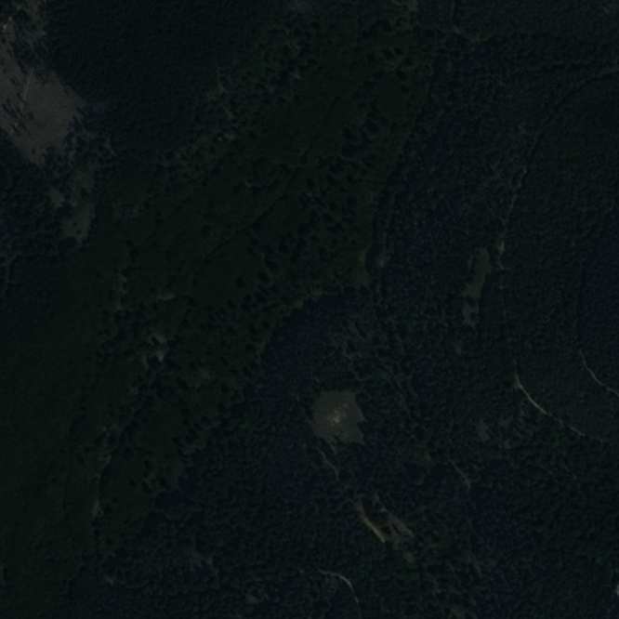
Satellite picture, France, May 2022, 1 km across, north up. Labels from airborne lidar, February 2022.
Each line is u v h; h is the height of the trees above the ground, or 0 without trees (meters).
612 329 26
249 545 32
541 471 37
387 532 34
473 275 13
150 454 33
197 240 19
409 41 11
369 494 27
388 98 16
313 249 12
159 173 21
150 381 10
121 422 13
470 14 22
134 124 22
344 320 32
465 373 20
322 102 13
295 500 29
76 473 17
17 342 22
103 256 13
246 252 14
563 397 11
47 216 13
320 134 16
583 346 18
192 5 25
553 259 8
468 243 24
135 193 15
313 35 17
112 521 12
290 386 28
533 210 8
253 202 23
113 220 6
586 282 25
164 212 15
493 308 15
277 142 23
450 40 23
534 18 25
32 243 26
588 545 31
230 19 28
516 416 8
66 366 13
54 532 17
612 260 29
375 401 29
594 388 12
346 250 9
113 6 26
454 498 36
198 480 32
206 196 17
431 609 36
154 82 23
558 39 27
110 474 19
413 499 23
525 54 23
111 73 23
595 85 13
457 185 16
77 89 22
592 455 17
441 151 25
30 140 0
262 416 27
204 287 15
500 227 23
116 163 18
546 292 9
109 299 19
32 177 21
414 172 29
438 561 13
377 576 23
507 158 6
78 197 0
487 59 24
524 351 16
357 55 18
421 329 17
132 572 28
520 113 11
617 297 29
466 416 24
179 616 24
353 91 13
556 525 33
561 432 9
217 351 10
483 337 17
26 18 20
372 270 21
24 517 19
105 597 27
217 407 8
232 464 30
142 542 29
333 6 24
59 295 19
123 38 26
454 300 25
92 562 20
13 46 0
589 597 25
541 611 23
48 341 19
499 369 16
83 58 26
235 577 29
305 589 18
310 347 29
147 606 28
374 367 32
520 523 33
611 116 16
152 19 25
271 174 18
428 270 22
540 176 11
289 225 13
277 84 33
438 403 25
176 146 8
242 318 6
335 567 23
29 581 19
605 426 19
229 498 28
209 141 16
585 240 16
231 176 16
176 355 13
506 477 29
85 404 19
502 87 21
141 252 16
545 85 16
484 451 22
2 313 22
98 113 21
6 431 13
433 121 25
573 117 15
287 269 17
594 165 9
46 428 22
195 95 13
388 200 29
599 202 12
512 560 35
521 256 11
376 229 20
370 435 33
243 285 44
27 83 0
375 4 28
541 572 24
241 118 25
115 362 18
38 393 14
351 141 41
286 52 32
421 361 27
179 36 26
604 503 33
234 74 14
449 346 18
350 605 20
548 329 15
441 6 29
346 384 16
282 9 22
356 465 10
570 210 9
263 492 27
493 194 10
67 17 25
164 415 11
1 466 17
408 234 29
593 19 18
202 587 22
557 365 16
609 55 27
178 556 27
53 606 13
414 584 32
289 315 10
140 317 30
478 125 16
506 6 23
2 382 16
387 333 12
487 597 16
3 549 16
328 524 28
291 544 28
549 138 11
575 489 34
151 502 16
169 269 19
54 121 0
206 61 20
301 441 22
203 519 30
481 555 22
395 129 28
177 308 15
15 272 13
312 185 39
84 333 10
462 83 25
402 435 35
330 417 0
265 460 25
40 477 19
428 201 18
